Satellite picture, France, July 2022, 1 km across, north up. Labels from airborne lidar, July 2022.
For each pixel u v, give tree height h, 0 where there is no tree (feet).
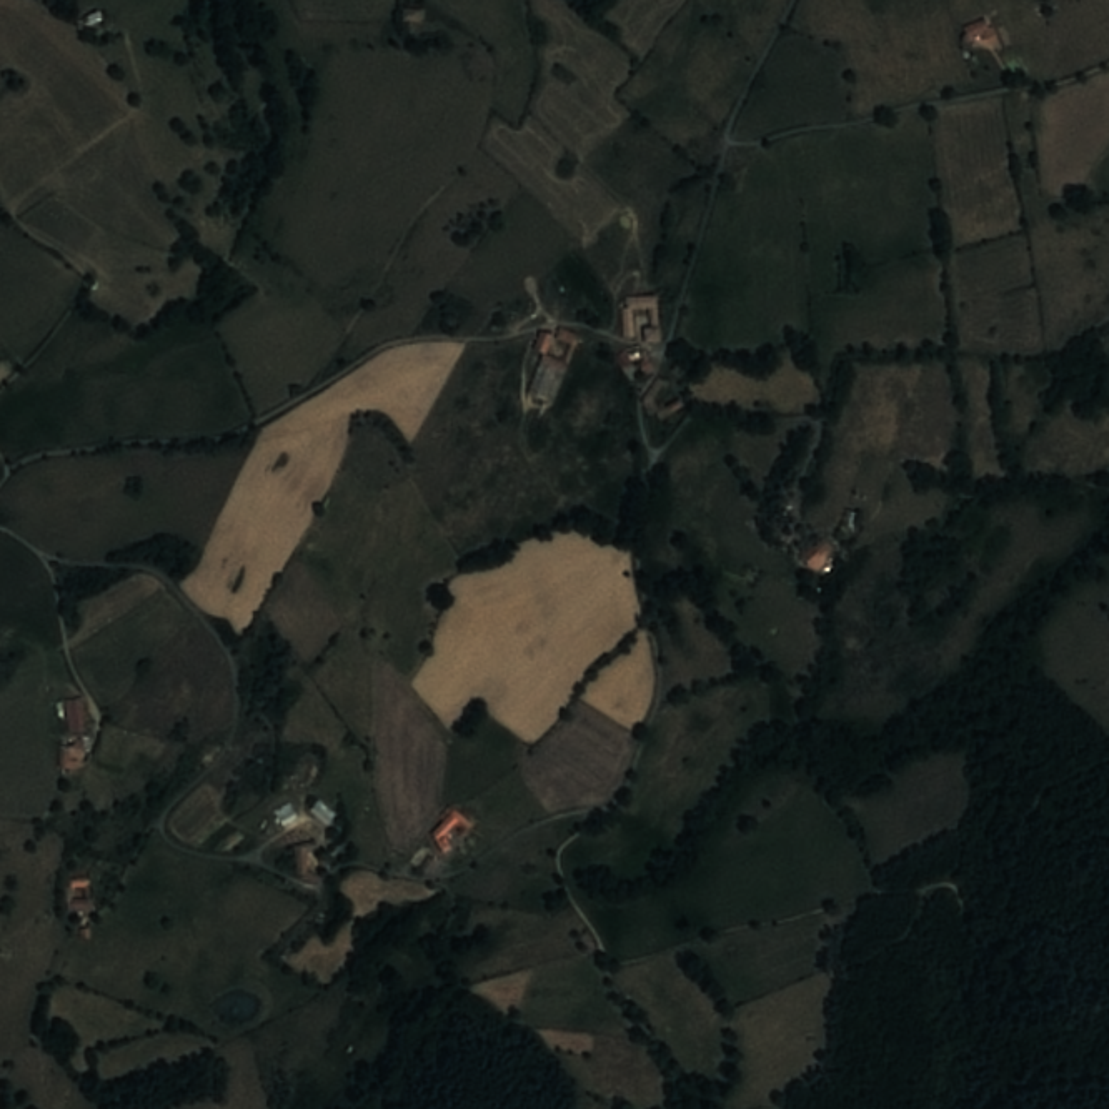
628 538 44
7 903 31
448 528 0
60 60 0
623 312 0
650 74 0
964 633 0
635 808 0
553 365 0
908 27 0
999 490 61
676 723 0
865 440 0
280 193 0
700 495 0
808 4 0
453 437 0
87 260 0
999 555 0
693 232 0
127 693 0
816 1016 0
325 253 0
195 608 0
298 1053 0
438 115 0
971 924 65
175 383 0
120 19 0
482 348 0
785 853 0
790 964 0
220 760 0
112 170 0
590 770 0
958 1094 48
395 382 0
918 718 73
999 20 0
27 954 0
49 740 0
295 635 0
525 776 0
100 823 29
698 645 0
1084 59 0
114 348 0
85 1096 43
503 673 0
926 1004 27
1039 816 37
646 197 0
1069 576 25
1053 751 37
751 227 0
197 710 0
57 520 0
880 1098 40
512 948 0
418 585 0
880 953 22
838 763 34
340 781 0
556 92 0
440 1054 45
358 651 0
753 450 0
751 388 0
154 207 0
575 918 0
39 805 0
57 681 0
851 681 0
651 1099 0
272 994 0
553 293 0
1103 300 0
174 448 40
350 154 0
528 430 0
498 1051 75
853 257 41
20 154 0
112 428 0
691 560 0
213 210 27
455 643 0
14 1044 0
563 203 0
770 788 0
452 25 0
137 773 0
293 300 0
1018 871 58
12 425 0
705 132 0
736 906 0
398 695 0
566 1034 0
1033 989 38
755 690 0
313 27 0
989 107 0
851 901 0
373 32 0
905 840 0
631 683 0
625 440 0
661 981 0
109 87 0
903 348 44
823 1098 36
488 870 0
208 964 0
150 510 0
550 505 0
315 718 0
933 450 0
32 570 0
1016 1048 52
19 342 0
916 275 0
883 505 0
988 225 0
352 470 0
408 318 0
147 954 0
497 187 0
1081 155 0
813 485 25
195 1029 52
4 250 0
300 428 0
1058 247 0
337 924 32
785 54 0
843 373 21
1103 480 49
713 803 77
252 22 84
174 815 0
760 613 0
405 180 0
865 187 0
